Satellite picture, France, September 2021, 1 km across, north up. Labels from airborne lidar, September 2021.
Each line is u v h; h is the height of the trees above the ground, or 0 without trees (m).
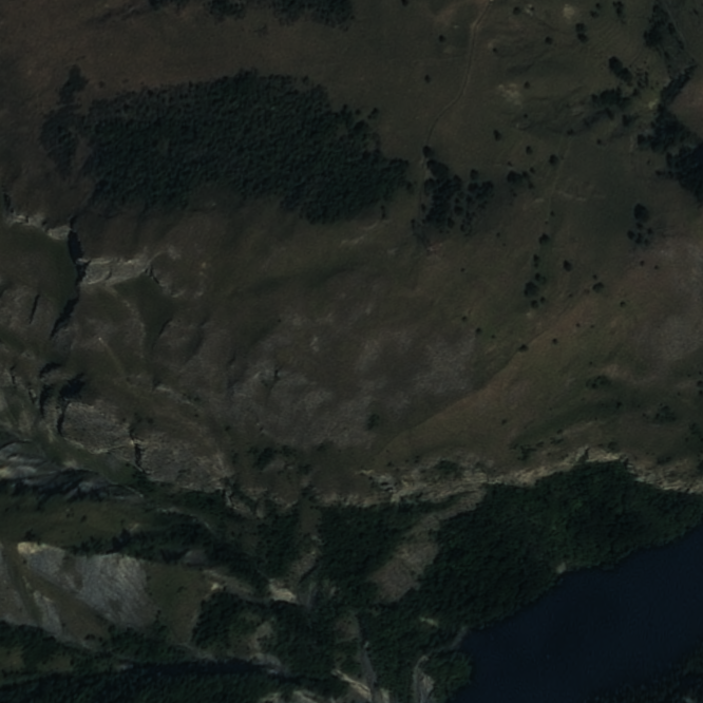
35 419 0
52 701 8
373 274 0
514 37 0
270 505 7
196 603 0
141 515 0
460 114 0
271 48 0
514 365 0
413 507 14
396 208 0
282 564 11
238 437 0
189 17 0
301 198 7
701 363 0
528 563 21
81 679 7
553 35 0
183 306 0
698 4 0
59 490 0
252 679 18
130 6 0
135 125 8
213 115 10
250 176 9
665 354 0
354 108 0
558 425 0
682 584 0
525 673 9
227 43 0
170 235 0
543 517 7
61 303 0
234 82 7
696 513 24
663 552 18
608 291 0
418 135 0
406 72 0
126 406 0
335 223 6
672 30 6
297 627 9
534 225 0
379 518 10
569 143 0
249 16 0
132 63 0
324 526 6
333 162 11
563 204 0
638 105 0
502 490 7
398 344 0
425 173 0
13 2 0
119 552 16
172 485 6
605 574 35
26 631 8
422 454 0
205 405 0
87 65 0
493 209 0
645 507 18
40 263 0
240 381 0
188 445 0
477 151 0
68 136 7
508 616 26
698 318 0
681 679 11
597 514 25
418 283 0
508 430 0
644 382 0
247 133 11
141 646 13
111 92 0
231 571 7
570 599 8
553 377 0
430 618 9
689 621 0
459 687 17
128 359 0
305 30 0
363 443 0
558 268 0
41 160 0
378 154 11
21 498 13
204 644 12
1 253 0
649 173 0
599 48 0
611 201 0
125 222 0
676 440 0
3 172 0
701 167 13
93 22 0
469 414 0
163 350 0
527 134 0
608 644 0
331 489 0
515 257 0
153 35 0
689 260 0
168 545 9
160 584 0
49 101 0
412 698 7
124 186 7
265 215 0
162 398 0
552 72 0
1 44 0
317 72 0
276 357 0
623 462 7
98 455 0
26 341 0
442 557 14
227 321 0
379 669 13
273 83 8
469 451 0
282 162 7
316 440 0
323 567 6
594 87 0
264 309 0
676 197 0
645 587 0
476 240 0
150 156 9
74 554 13
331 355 0
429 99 0
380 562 18
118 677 11
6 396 0
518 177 12
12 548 0
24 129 0
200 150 11
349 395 0
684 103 0
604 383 6
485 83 0
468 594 16
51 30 0
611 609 20
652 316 0
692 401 0
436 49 0
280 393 0
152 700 12
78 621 0
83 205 0
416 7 0
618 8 9
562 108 0
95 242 0
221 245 0
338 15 8
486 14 0
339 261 0
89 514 0
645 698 15
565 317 0
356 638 6
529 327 0
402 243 0
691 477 8
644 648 0
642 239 8
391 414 0
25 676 8
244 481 0
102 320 0
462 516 19
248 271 0
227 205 0
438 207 10
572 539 8
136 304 0
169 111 7
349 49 0
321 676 8
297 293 0
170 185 8
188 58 0
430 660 11
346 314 0
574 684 6
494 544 6
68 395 11
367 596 8
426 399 0
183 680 17
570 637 16
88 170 6
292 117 10
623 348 0
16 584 0
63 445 0
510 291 0
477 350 0
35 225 0
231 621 17
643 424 0
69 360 0
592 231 0
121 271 0
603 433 0
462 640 0
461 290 0
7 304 0
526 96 0
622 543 29
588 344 0
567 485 6
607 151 0
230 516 10
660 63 0
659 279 0
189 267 0
